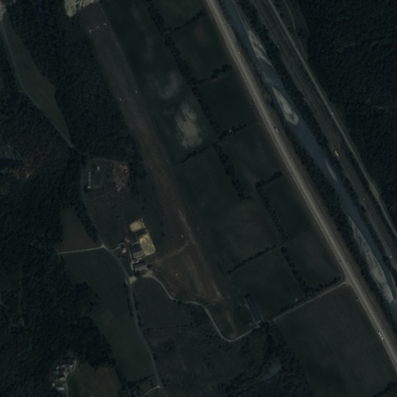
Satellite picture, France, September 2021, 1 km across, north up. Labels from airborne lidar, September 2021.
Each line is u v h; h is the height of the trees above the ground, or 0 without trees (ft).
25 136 44
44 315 84
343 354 0
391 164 42
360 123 45
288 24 0
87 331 78
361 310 0
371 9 55
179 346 0
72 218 0
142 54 0
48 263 94
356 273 0
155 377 0
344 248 0
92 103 38
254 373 0
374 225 0
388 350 0
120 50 0
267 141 0
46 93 0
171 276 0
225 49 0
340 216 35
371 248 0
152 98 0
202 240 0
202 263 0
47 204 84
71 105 49
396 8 62
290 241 0
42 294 96
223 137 44
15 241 84
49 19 63
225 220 0
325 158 0
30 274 73
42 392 77
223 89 0
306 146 0
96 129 57
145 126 0
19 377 84
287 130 25
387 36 35
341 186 0
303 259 0
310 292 51
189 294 0
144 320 0
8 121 35
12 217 100
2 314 39
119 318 0
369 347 0
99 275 0
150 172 0
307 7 55
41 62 54
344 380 0
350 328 0
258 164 0
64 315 72
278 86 0
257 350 0
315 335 0
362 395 0
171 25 0
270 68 0
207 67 0
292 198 0
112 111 43
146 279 0
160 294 0
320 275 0
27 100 31
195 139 0
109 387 0
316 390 0
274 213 28
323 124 0
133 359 0
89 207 0
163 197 0
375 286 58
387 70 63
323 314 0
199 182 0
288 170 0
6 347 84
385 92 36
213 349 0
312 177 52
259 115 0
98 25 0
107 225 0
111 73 0
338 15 47
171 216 0
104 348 83
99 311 0
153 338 0
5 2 0
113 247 0
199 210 0
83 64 39
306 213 0
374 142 58
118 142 52
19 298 32
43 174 53
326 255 0
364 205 0
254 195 0
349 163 0
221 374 0
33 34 51
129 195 0
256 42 0
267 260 0
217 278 0
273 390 19
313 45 60
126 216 0
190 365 0
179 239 0
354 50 39
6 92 49
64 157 27
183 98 0
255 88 0
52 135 47
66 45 54
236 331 0
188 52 0
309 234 0
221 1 32
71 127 52
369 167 21
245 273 0
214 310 0
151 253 0
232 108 0
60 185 79
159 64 0
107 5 0
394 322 30
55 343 96
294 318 0
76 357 36
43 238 66
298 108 41
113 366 79
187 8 0
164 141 0
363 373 0
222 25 0
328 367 0
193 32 0
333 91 73
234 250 0
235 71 0
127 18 0
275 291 0
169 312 0
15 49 0
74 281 0
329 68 72
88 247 0
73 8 0
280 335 22
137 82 0
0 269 72
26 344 60
